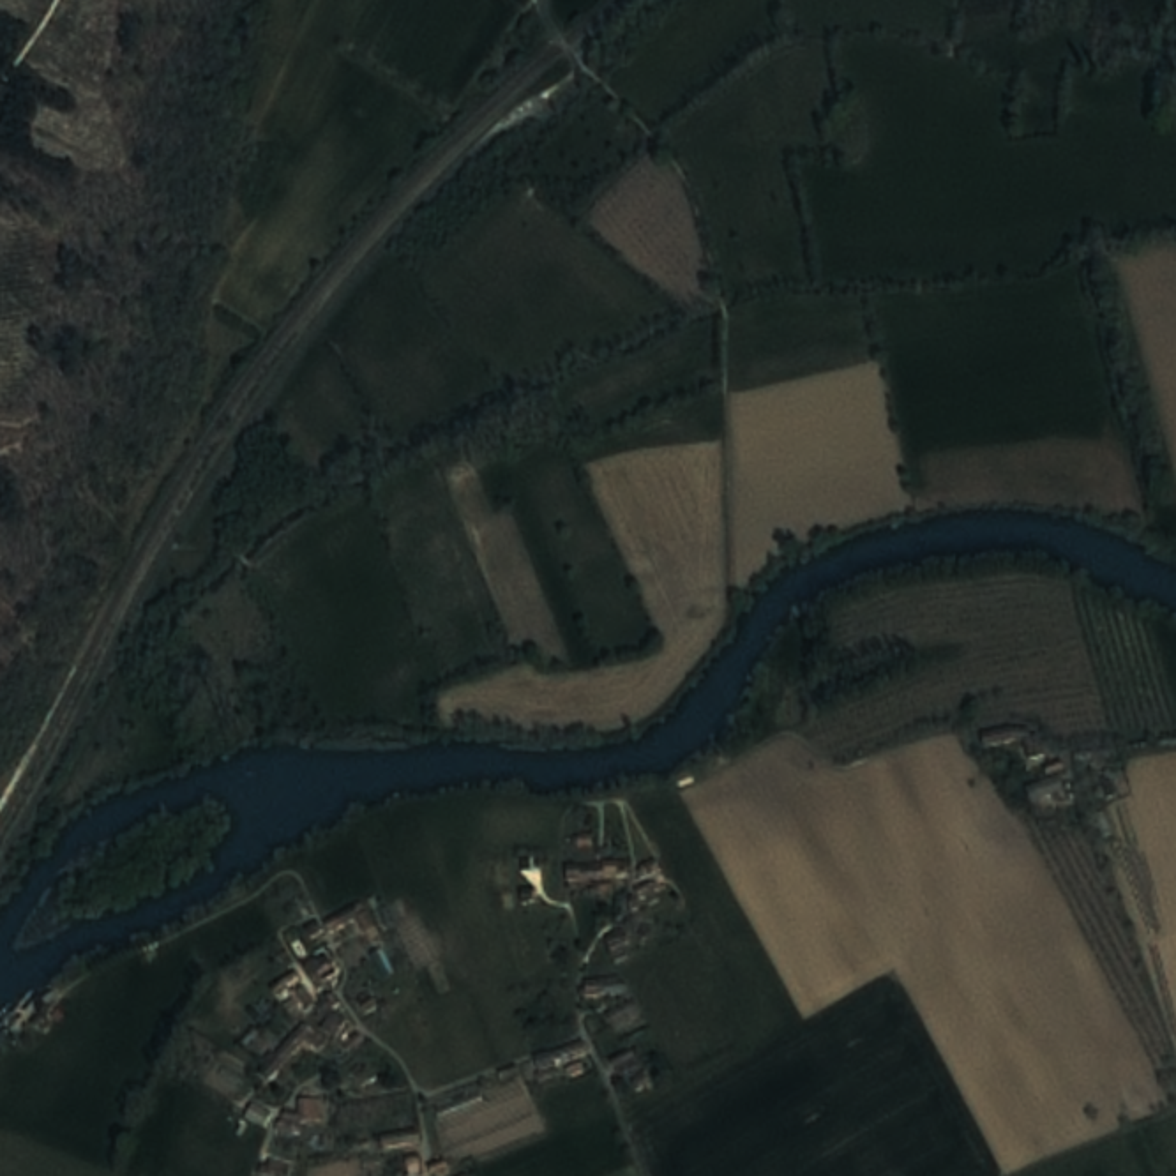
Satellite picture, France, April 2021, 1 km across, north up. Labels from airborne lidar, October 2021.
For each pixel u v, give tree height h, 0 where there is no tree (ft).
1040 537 0
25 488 44
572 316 0
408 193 0
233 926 0
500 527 0
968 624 27
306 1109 0
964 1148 0
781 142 0
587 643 26
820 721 29
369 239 0
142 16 63
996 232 0
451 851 0
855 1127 0
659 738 0
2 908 52
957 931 0
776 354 0
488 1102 0
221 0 47
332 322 0
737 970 0
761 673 41
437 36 0
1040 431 0
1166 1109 33
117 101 42
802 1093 0
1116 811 0
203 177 58
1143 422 78
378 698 0
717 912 0
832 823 0
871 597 100
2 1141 0
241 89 73
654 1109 0
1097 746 37
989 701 38
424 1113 23
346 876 0
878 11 0
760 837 0
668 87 0
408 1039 0
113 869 37
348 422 0
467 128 0
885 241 0
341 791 0
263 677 50
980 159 0
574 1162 0
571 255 0
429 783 0
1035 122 0
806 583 0
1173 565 0
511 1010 0
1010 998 0
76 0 0
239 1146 0
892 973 0
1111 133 0
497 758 0
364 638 0
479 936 0
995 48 0
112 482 62
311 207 0
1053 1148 0
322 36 0
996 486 0
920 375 0
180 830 42
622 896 19
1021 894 0
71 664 59
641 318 0
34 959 0
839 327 0
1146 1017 19
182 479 0
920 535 0
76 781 0
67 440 37
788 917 0
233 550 43
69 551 77
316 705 25
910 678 70
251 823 0
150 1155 0
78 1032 0
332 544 0
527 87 0
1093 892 26
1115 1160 0
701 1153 0
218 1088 0
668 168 63
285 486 51
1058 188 0
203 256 73
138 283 51
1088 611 35
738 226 0
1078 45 0
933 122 0
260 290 0
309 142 0
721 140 0
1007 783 39
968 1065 0
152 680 45
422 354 0
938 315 0
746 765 0
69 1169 0
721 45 0
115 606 0
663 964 0
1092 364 0
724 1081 0
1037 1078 0
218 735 45
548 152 0
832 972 0
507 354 0
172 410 47
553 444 41
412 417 0
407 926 0
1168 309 0
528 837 0
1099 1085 0
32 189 33
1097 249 89
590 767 0
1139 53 53
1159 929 0
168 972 0
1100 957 20
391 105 0
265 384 34
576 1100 0
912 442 0
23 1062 0
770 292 47
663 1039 0
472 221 36
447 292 0
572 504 0
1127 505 0
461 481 0
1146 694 33
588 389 0
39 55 0
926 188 0
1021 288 0
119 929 0
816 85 0
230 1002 0
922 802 0
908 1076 0
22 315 0
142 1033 0
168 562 0
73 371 103
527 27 33
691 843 0
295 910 34
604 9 0
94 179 44
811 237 54
